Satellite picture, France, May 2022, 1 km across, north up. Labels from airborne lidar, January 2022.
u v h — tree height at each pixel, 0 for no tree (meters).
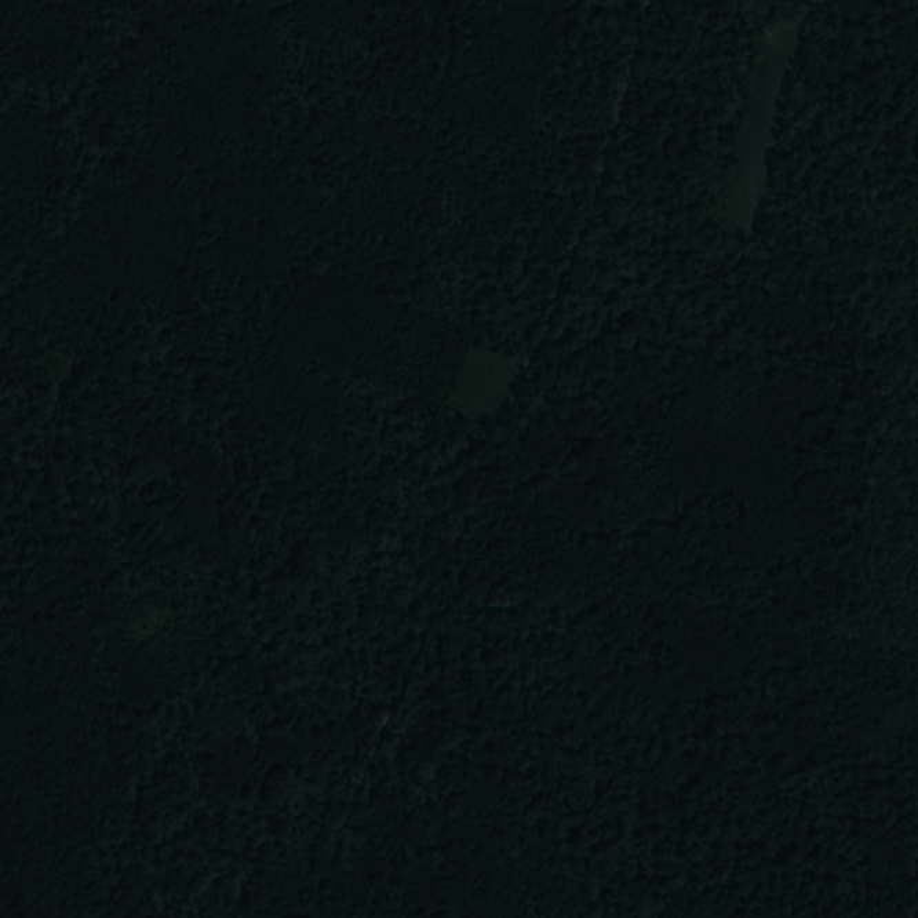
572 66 19
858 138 22
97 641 16
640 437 16
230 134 13
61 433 19
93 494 19
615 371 8
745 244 25
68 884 15
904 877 17
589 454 26
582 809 7
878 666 10
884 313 24
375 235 18
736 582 11
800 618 22
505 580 20
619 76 20
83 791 16
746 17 24
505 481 24
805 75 20
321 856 20
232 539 19
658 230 16
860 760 16
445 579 23
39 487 20
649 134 24
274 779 24
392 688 20
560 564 21
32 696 19
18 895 22
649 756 28
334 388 14
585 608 7
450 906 21
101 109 22
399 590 26
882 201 25
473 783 22
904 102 17
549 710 18
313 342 12
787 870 20
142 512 22
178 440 22
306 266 15
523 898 18
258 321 17
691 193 24
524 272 23
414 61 19
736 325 20
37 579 21
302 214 13
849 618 18
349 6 14
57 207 16
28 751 16
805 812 23
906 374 20
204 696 25
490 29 14
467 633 17
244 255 12
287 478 20
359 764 16
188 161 17
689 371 24
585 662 20
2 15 20
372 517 28
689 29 18
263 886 12
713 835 14
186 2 15
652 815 26
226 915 10
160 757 17
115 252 13
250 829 13
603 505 6
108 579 18
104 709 14
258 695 18
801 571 20
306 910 23
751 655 8
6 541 16
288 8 16
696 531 21
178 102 14
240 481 17
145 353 17
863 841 22
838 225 6
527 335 20
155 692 7
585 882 22
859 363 27
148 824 22
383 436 16
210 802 17
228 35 14
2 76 14
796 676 20
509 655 21
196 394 15
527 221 24
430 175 8
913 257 20
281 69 12
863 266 24
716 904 24
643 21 14
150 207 14
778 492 6
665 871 23
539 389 20
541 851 22
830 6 22
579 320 26
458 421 26
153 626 18
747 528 9
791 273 18
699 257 25
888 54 20
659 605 21
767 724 26
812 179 19
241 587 21
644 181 24
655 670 18
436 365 16
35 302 17
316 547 29
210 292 16
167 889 22
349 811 21
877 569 20
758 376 14
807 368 14
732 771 6
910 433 17
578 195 21
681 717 22
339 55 14
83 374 21
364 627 18
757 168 0
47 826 18
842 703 8
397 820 20
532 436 29
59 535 11
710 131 21
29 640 20
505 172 15
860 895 17
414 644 18
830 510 17
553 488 7
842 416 26
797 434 6
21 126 12
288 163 20
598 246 25
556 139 7
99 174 18
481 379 0
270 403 14
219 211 19
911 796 7
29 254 15
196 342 12
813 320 22
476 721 24
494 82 13
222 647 20
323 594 20
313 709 18
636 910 23
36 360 20
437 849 14
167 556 22
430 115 19
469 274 19
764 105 0
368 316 14
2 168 14
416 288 24
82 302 12
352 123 20
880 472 16
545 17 16
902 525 21
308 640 19
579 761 23
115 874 14
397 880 26
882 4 20
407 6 19
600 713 22
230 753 19
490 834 20
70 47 13
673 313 24
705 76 19
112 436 18
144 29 20
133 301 10
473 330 20
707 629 9
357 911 17
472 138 19
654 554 20
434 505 25
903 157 24
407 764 25
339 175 17
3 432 20
